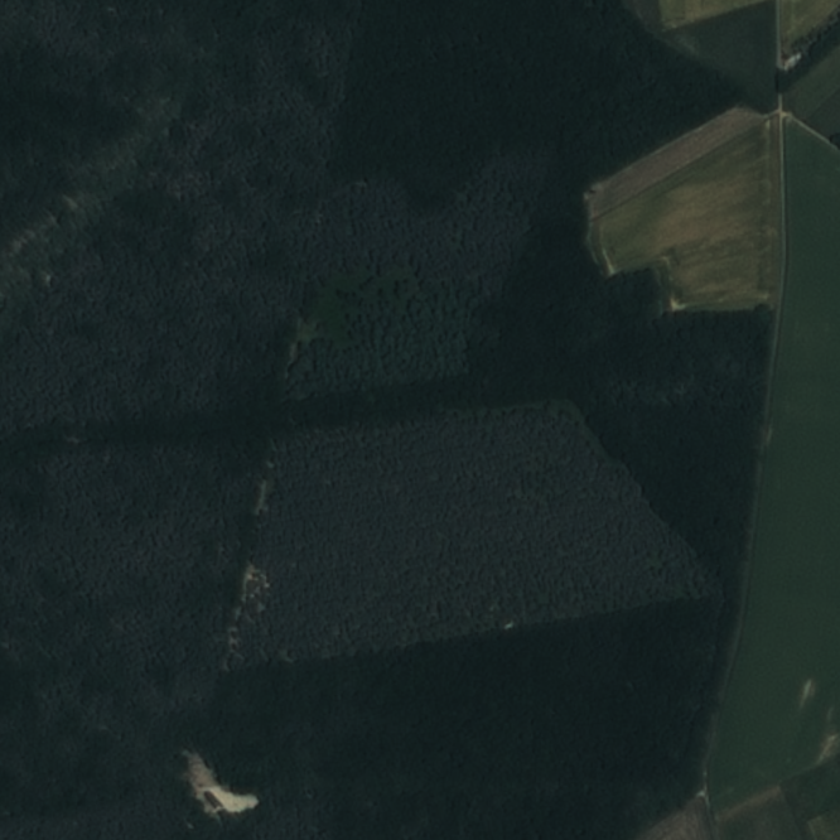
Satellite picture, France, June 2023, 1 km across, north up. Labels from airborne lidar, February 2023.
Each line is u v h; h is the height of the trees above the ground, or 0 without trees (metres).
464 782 24
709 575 11
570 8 17
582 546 16
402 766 19
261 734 24
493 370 15
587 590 11
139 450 16
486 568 12
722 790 0
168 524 21
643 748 18
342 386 21
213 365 20
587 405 19
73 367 18
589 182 20
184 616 20
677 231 0
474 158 16
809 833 0
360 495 16
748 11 0
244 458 18
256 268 17
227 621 22
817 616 0
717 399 17
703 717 15
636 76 20
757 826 0
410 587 15
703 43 0
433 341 20
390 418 20
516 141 19
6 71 21
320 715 24
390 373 24
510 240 19
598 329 21
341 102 16
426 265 18
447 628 14
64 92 21
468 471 16
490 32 21
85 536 19
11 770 23
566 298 17
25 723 23
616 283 16
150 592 20
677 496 24
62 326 17
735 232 0
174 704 20
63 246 22
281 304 15
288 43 19
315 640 15
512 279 15
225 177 17
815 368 0
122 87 17
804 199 0
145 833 19
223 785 23
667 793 23
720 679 16
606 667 13
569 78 24
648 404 19
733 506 24
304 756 23
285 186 18
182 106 21
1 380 19
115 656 17
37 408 18
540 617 14
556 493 8
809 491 0
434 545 17
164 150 22
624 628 14
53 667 23
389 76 17
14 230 21
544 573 11
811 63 18
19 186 18
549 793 13
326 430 17
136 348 16
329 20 19
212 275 18
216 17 23
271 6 24
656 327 18
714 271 0
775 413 0
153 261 16
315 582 16
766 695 0
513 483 13
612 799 19
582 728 18
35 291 19
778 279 0
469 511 15
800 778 0
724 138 0
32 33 21
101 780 19
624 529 16
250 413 22
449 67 23
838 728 0
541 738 16
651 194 0
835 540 0
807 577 0
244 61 24
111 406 20
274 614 14
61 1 17
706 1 0
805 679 0
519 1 23
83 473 19
